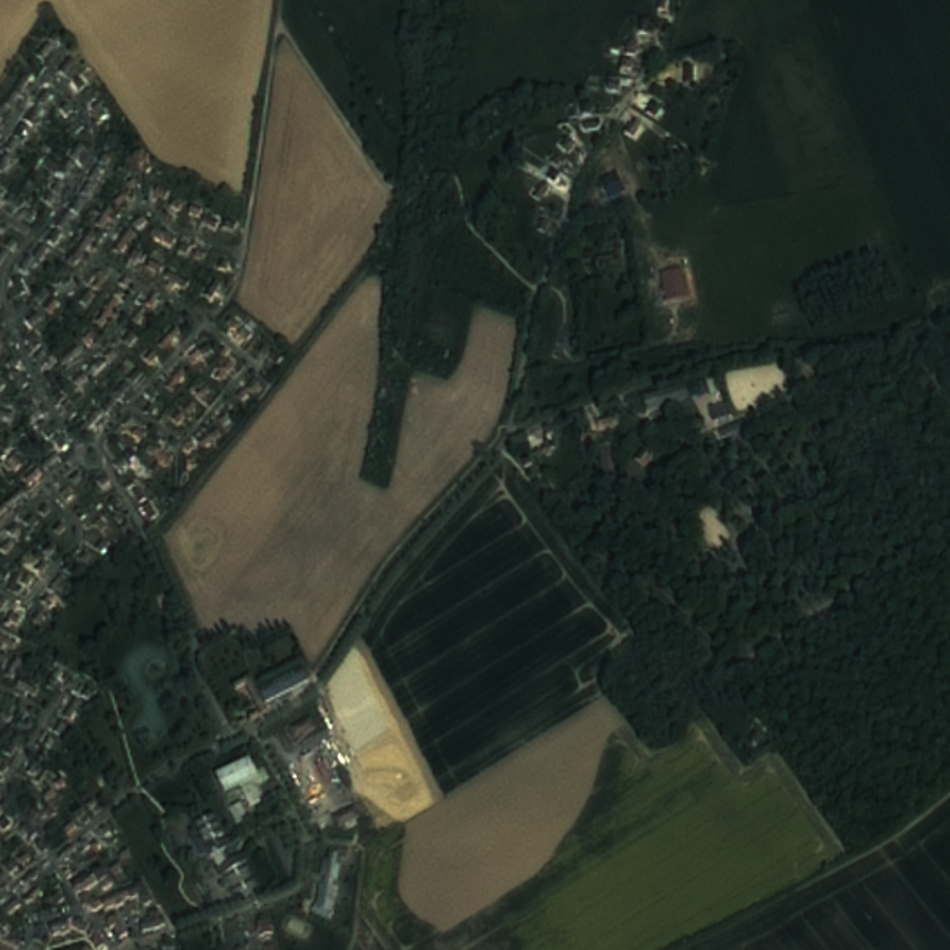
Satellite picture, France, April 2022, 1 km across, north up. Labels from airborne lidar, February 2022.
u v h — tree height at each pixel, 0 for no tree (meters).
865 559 24
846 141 0
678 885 0
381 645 0
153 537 18
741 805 0
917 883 0
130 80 0
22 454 7
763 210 0
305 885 13
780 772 0
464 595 0
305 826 7
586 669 0
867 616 18
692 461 22
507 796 0
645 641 19
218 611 0
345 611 0
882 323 0
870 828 18
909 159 0
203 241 7
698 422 12
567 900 0
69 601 8
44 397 0
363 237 0
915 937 0
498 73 0
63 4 0
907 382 24
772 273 0
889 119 0
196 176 11
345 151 0
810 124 0
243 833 9
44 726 0
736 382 0
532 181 0
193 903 0
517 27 0
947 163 0
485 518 0
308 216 0
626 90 0
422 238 9
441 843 0
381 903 0
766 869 0
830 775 17
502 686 0
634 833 0
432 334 0
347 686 0
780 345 9
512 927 0
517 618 0
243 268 0
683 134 0
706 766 0
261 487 0
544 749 0
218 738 0
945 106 0
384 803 0
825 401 23
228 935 0
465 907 0
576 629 0
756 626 24
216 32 0
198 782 13
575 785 0
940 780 17
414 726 0
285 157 0
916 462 24
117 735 14
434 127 8
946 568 23
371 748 0
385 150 0
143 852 0
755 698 18
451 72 11
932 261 0
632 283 12
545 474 12
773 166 0
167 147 0
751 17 0
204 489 0
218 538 0
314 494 0
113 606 17
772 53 0
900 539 25
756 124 0
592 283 13
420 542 12
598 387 18
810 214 0
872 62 0
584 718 0
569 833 0
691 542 21
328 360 0
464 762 0
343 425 0
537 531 0
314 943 0
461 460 0
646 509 26
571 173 0
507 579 0
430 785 0
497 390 0
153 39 0
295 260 0
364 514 0
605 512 22
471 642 0
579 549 14
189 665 13
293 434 0
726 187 0
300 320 0
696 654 22
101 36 0
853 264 18
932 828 0
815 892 0
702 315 0
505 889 0
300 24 0
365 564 0
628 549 22
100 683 14
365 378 0
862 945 0
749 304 0
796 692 19
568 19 0
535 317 14
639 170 0
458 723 0
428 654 0
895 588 23
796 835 0
